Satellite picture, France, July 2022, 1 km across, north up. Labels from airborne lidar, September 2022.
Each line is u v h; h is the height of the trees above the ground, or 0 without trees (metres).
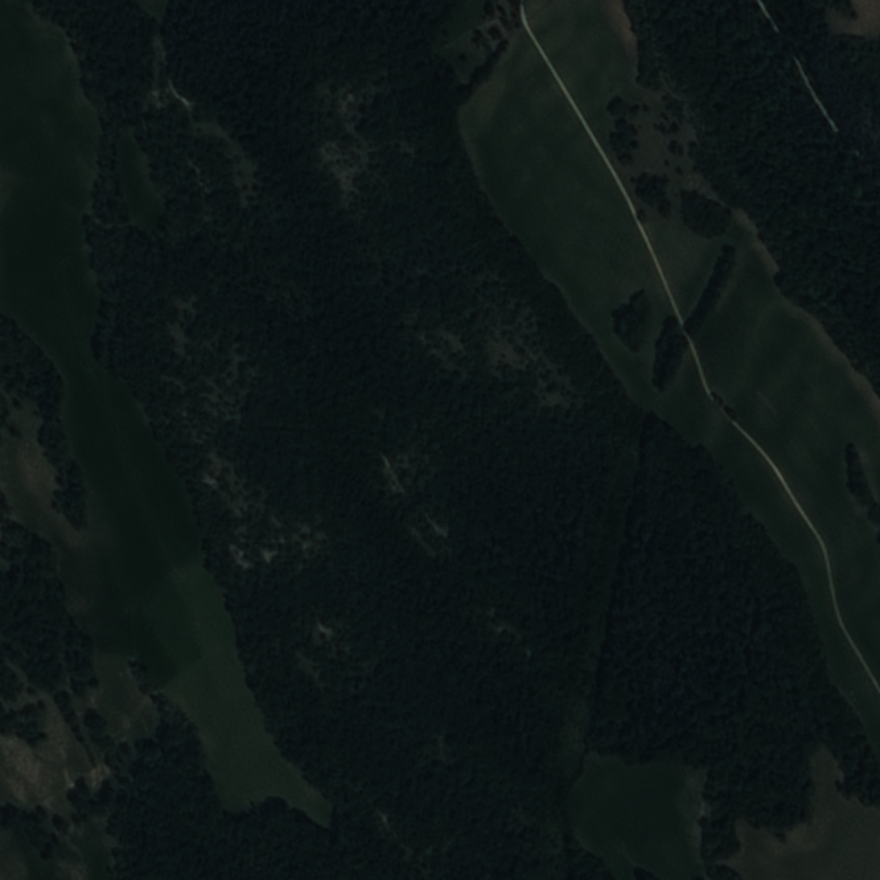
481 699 25
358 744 11
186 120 11
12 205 0
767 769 15
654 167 0
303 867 16
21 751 0
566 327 22
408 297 11
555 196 0
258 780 0
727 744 19
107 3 12
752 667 26
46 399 18
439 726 9
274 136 12
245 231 13
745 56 30
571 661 19
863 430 0
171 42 11
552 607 24
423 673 13
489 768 9
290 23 23
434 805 11
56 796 0
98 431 0
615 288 0
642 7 27
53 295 0
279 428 11
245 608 15
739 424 0
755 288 0
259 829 14
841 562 0
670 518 30
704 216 11
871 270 35
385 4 19
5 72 0
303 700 11
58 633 16
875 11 0
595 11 0
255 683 19
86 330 0
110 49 19
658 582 25
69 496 13
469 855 9
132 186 0
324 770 8
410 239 13
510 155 0
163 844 18
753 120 31
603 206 0
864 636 0
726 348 0
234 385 6
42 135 0
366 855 16
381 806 7
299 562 8
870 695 0
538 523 24
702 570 26
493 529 23
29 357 16
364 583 15
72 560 0
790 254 28
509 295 6
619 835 0
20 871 0
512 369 9
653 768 0
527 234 0
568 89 0
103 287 16
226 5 29
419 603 17
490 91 0
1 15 0
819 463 0
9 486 0
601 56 0
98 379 0
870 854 0
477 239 15
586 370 24
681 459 27
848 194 23
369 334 16
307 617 8
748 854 0
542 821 11
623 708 21
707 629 11
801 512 0
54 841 16
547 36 0
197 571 0
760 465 0
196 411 10
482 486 18
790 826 10
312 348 18
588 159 0
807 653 27
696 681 24
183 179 9
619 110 12
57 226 0
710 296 15
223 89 18
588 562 24
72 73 0
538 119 0
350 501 16
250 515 8
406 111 14
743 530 24
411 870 12
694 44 34
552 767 10
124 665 0
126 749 18
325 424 14
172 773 17
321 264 14
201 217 9
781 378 0
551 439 11
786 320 0
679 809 0
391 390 13
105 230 17
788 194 34
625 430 14
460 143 23
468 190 23
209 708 0
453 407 15
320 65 10
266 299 14
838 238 29
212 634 0
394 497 8
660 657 18
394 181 11
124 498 0
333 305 14
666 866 0
